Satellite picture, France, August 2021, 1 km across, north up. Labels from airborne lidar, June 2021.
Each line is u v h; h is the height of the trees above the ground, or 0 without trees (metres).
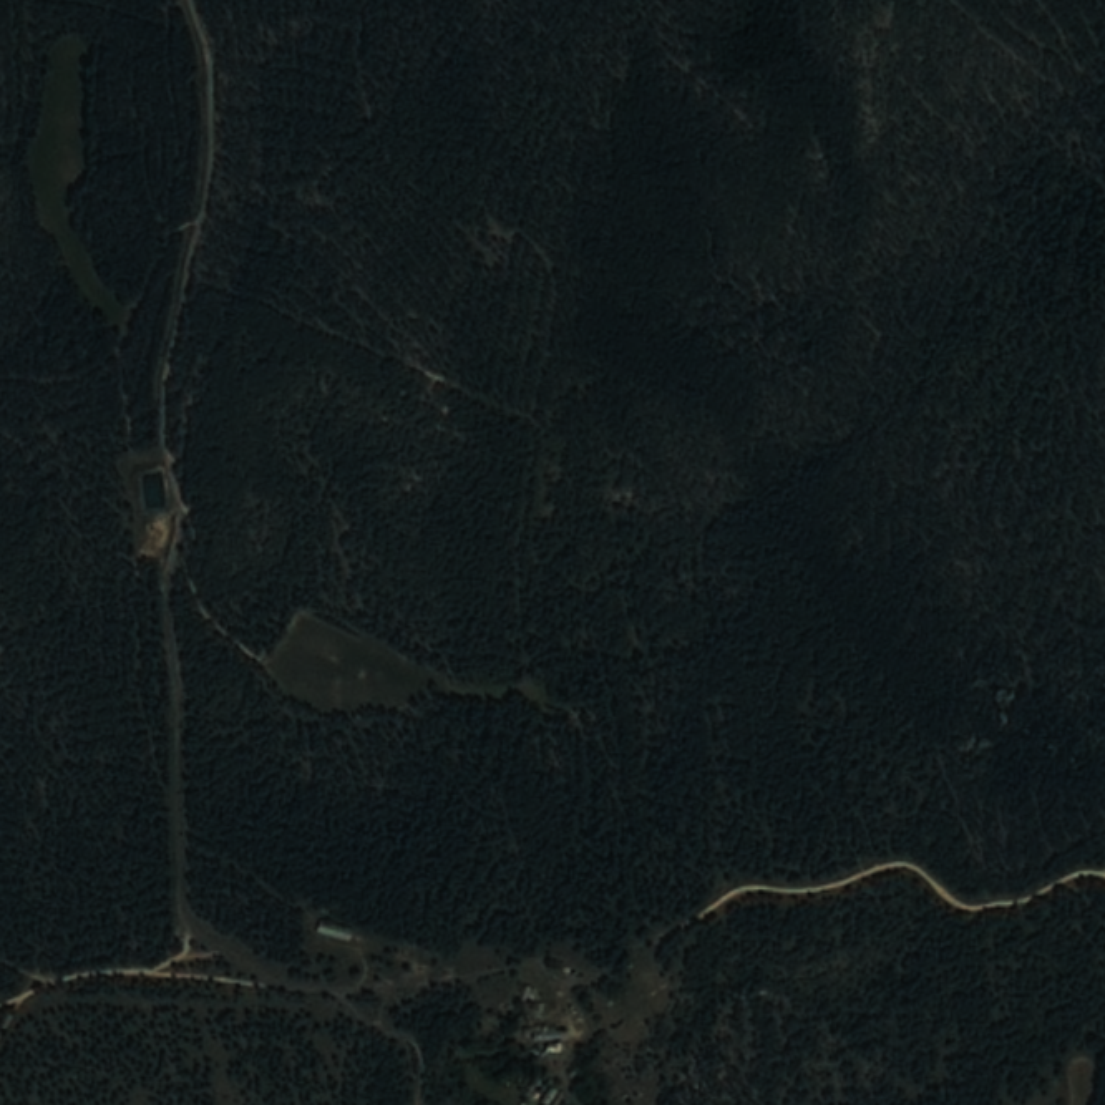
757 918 9
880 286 14
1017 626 12
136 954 8
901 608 12
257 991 7
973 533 13
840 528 10
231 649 7
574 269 13
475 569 7
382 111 10
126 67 9
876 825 7
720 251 17
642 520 12
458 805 11
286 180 9
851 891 9
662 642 7
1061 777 16
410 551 7
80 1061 11
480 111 12
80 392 8
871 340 13
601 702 11
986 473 14
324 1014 0
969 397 12
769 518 13
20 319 12
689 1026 6
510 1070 13
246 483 6
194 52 10
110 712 9
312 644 0
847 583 13
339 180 9
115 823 9
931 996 11
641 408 11
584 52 14
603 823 15
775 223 14
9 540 8
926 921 9
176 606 12
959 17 10
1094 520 12
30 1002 0
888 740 7
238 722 12
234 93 11
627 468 9
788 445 15
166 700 10
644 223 16
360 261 10
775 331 17
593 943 9
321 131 13
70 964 9
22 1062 7
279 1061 9
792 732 11
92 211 12
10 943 11
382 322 12
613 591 11
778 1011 7
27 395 9
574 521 7
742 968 12
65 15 13
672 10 13
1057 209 16
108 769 8
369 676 0
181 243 11
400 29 12
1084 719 12
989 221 13
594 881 14
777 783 10
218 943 0
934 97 11
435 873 11
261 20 12
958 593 11
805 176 12
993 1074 10
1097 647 6
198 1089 8
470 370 13
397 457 7
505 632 9
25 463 9
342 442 9
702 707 9
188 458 9
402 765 9
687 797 8
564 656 13
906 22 10
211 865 8
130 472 0
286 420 8
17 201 7
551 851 13
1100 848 13
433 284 11
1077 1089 0
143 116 12
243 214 13
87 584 8
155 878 10
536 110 9
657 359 18
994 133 13
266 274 8
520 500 6
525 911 9
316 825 9
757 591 7
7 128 13
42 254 10
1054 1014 10
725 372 14
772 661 7
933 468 13
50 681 7
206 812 10
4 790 8
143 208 12
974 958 10
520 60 10
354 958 0
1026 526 15
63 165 0
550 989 0
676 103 15
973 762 9
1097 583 11
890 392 17
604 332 17
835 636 10
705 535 8
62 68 0
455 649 10
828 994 7
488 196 12
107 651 11
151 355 10
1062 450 16
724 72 13
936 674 16
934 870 11
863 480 9
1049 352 13
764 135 12
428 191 10
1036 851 12
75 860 9
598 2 15
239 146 14
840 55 7
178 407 10
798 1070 11
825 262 13
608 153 11
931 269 13
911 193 11
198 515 11
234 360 8
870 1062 9
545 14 13
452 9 13
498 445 8
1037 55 11
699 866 8
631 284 15
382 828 11
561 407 8
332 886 10
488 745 12
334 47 14
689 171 19
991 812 8
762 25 18
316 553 10
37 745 10
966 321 14
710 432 10
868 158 8
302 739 12
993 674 15
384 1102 11
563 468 6
